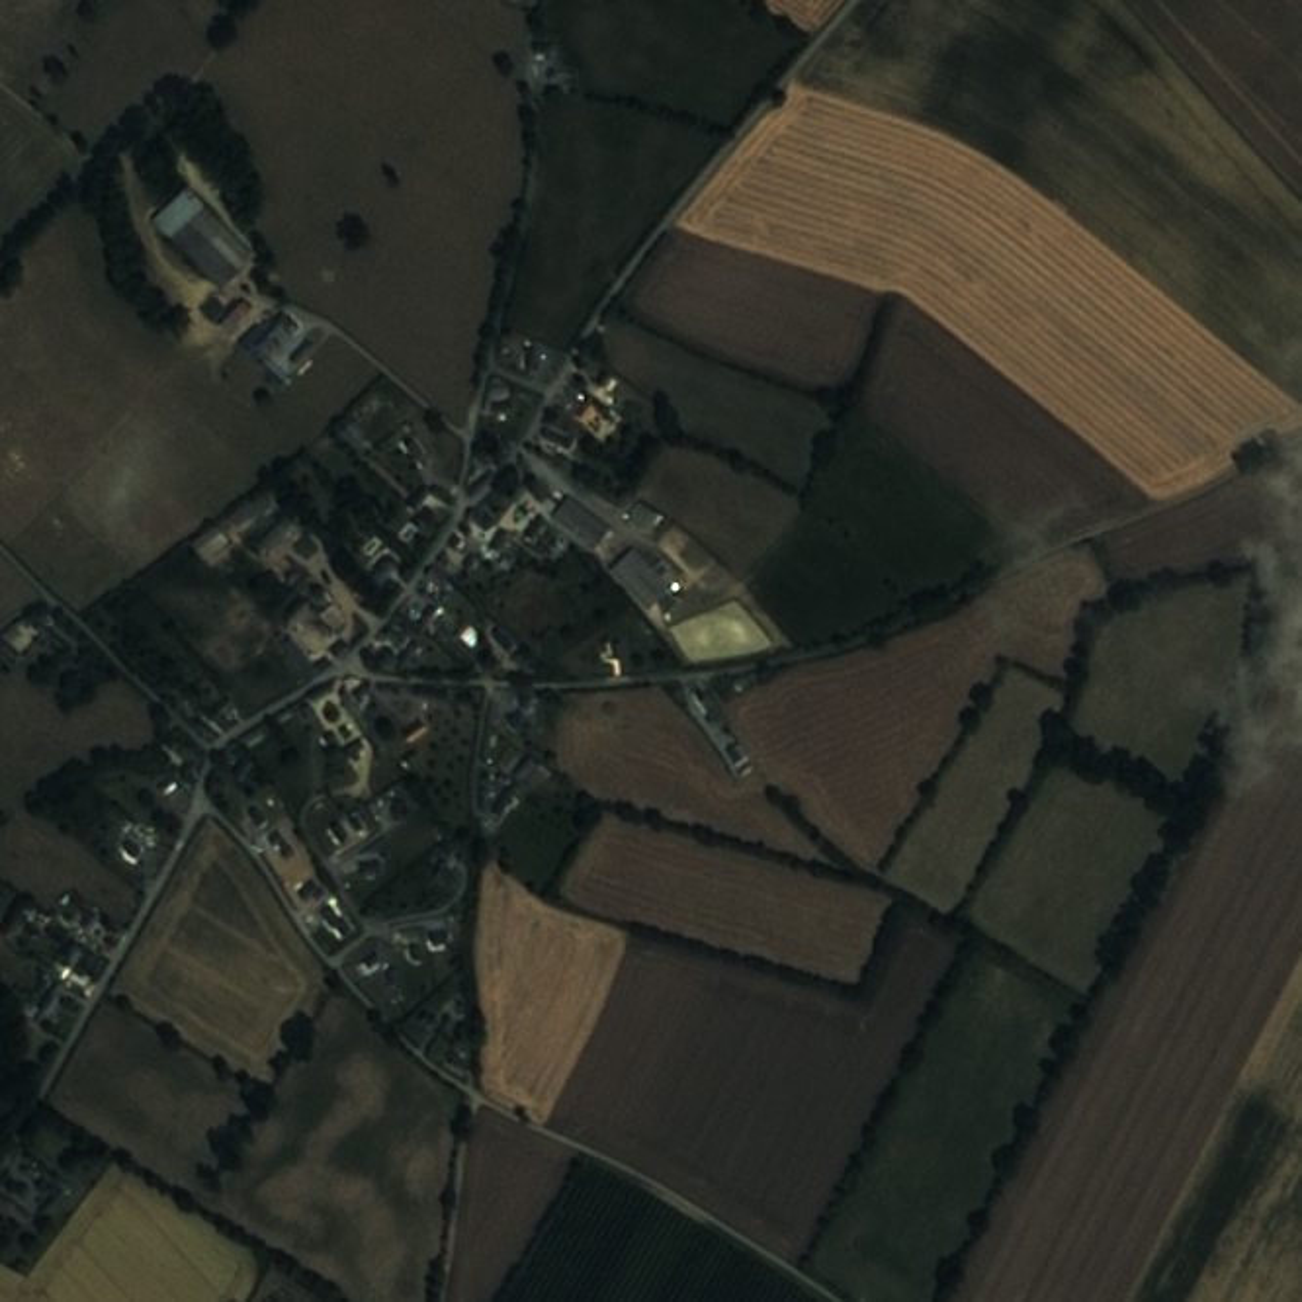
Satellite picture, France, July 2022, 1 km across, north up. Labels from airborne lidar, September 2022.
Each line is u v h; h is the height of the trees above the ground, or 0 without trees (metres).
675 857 0
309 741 0
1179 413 0
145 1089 0
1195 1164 0
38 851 0
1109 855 0
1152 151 0
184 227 0
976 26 0
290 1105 0
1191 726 0
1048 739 17
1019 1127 15
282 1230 0
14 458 0
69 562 0
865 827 0
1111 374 0
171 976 0
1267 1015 0
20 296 0
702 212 0
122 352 0
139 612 0
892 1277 0
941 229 0
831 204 0
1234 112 0
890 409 0
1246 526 0
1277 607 24
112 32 0
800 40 6
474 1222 0
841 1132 0
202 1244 0
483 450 10
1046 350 0
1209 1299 0
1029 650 0
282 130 0
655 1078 0
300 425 0
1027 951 0
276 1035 0
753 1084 0
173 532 0
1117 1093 0
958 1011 0
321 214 0
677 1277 6
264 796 0
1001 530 0
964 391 0
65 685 13
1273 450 17
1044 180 0
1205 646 0
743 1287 5
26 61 0
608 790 0
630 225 0
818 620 0
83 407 0
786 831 0
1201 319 0
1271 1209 0
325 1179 0
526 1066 0
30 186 0
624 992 0
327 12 0
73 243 0
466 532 10
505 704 0
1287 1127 0
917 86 0
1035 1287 0
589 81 0
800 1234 0
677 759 0
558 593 0
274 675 0
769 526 0
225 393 0
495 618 0
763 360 0
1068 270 0
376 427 0
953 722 0
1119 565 0
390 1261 0
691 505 0
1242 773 0
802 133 0
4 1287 0
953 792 0
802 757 0
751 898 0
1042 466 0
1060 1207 0
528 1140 0
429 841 0
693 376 0
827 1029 0
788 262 0
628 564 0
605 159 0
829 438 12
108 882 0
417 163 0
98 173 19
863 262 0
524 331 0
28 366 0
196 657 6
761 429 0
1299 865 0
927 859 0
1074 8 0
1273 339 0
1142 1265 0
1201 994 0
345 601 0
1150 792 26
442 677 7
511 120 0
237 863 0
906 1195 0
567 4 0
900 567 0
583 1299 5
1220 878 0
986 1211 6
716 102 0
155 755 5
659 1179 0
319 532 10
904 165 0
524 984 0
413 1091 0
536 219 0
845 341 0
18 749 0
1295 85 0
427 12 0
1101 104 0
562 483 0
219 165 29
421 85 0
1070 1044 20
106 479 0
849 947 0
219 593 0
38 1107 14
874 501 0
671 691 5
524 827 0
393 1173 0
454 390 0
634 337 0
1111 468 0
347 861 0
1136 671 0
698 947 9
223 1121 0
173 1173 0
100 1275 0
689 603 0
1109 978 15
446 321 0
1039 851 0
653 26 0
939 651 0
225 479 0
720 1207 0
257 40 0
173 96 19
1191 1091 0
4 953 0
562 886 0
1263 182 0
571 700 0
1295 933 0
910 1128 0
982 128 0
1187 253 0
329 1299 11
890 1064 0
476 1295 0
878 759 0
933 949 0
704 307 0
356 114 0
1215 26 0
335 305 0
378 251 0
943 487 0
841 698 0
